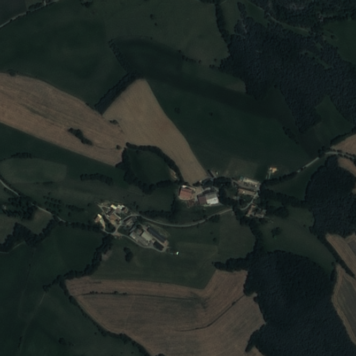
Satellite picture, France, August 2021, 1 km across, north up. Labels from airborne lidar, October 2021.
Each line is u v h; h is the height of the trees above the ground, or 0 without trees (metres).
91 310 0
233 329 0
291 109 10
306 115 16
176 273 0
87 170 0
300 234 0
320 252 0
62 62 0
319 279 22
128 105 0
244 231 0
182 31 0
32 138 0
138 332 0
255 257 22
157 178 0
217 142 0
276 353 20
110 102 9
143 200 0
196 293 0
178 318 0
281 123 0
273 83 15
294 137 15
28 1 0
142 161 0
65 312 0
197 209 0
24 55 0
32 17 0
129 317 0
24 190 0
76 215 0
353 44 0
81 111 0
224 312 0
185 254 0
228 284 0
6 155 0
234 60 19
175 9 0
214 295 0
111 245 11
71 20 0
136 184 13
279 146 0
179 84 0
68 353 0
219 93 0
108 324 0
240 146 0
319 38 11
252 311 0
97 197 0
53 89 0
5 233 0
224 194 16
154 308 0
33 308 0
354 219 16
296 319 17
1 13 0
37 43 0
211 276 0
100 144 0
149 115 0
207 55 0
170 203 0
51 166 0
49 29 0
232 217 0
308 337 14
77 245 0
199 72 0
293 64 8
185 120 0
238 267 19
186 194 0
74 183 0
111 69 0
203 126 0
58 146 0
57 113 0
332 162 16
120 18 0
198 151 0
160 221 0
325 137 0
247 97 0
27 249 0
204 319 0
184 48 0
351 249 0
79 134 16
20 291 0
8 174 0
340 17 8
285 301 13
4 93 0
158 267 0
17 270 0
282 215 17
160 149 17
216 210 0
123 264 0
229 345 0
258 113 0
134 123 0
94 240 0
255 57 10
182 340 0
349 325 0
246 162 0
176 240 0
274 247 0
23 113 0
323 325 17
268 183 18
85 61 0
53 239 0
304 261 19
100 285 0
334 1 11
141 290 0
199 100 0
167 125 0
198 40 0
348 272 13
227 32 16
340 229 11
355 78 16
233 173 0
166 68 0
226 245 0
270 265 13
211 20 0
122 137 0
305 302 19
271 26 13
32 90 0
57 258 0
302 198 0
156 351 0
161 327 0
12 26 0
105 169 0
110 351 0
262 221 18
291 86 14
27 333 0
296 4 10
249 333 0
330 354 20
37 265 0
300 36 8
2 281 0
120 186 0
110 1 0
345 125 0
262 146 0
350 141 0
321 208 17
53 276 0
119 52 7
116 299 0
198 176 0
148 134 0
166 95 0
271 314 12
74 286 0
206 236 0
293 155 0
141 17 0
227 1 0
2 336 0
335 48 12
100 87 0
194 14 0
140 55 0
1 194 0
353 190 17
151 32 0
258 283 15
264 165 0
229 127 0
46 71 0
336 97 13
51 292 0
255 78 20
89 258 0
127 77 9
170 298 0
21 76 0
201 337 0
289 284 19
